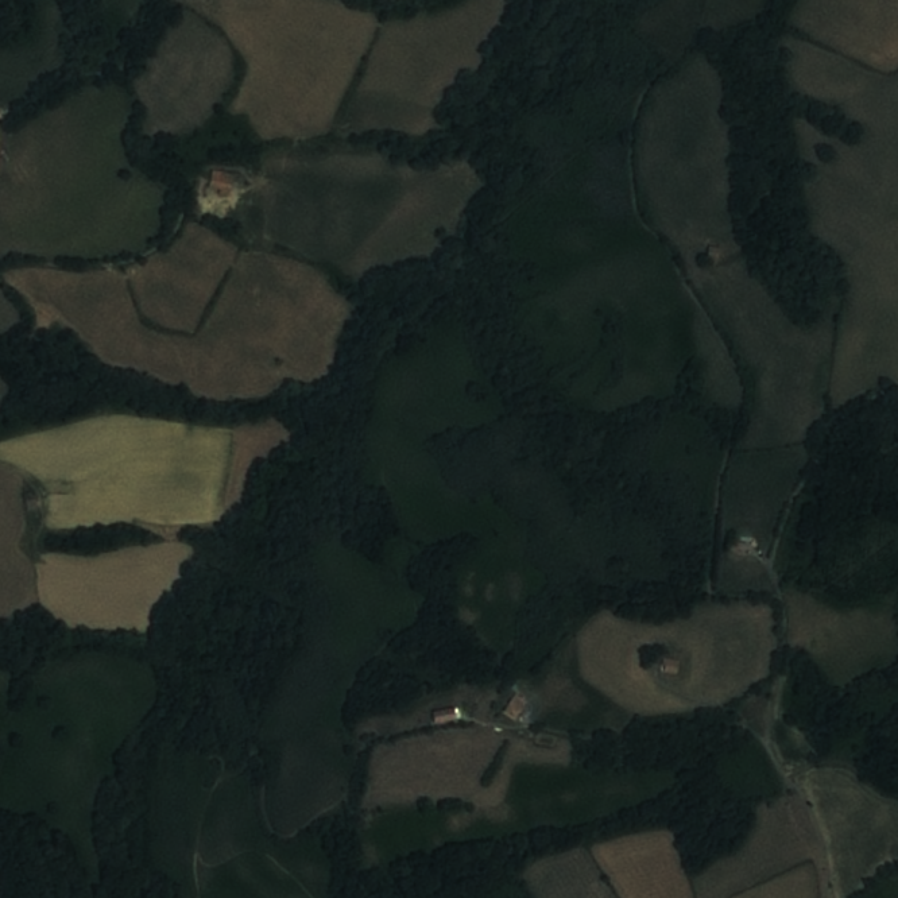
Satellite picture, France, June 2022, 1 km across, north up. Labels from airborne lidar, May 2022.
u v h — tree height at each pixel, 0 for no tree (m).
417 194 0
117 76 21
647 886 0
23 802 0
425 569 11
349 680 0
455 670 14
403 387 0
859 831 0
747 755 0
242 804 0
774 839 0
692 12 0
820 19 0
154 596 0
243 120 0
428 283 29
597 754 17
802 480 11
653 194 0
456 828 0
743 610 0
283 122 0
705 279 0
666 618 14
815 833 0
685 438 0
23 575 0
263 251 0
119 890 14
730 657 0
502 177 20
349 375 26
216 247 0
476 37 0
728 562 0
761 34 20
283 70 0
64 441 0
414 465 0
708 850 15
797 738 0
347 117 0
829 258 14
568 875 0
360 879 19
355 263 0
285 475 17
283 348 0
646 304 0
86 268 17
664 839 0
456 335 0
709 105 0
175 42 0
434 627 21
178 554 0
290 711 0
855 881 0
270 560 9
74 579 0
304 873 0
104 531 22
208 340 0
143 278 0
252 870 0
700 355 0
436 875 30
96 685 0
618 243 0
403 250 0
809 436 10
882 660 0
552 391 8
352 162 0
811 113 10
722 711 10
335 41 0
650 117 0
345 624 0
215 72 0
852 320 0
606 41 7
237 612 21
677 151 0
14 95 0
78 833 0
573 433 15
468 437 7
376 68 0
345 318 0
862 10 0
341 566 0
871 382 0
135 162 16
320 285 0
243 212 0
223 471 0
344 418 15
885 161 0
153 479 0
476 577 0
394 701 18
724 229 0
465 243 17
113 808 6
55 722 0
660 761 11
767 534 0
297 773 0
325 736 0
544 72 22
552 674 0
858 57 0
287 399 9
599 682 0
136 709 0
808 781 0
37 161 0
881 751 21
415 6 15
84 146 0
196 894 0
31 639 25
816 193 0
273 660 16
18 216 0
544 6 25
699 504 0
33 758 0
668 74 5
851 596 6
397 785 0
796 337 0
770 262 15
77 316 0
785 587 7
